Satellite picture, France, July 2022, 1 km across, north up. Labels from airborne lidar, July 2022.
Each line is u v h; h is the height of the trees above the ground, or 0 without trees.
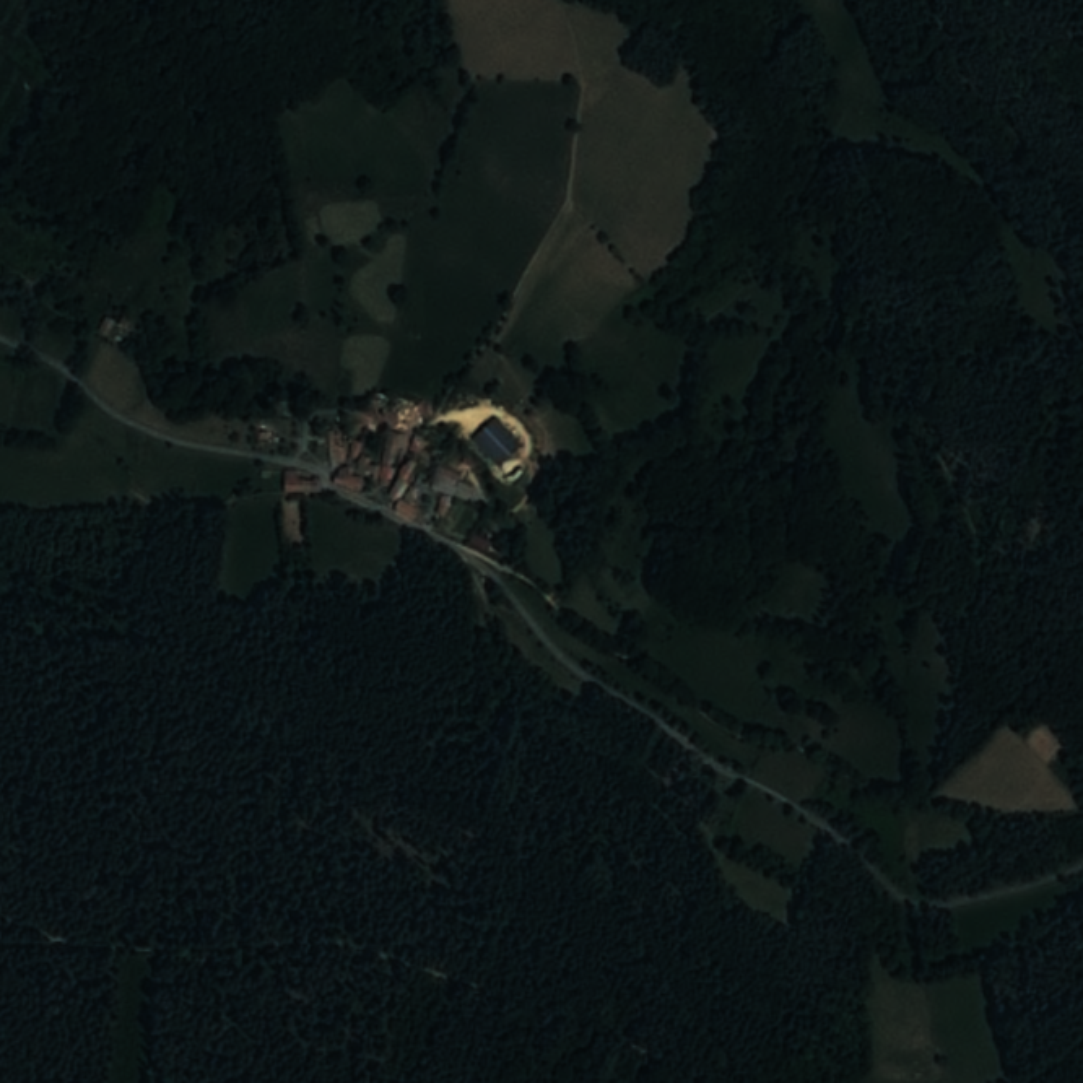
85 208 26
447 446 7
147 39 28
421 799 23
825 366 19
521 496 0
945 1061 9
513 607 10
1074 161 20
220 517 29
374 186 11
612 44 0
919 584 23
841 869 23
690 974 26
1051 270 0
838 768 16
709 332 22
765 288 9
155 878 28
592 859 33
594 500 28
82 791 24
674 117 0
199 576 29
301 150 0
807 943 23
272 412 14
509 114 0
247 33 21
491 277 0
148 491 0
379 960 22
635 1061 18
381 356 0
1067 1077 23
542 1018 29
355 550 0
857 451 0
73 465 0
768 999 26
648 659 25
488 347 8
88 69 29
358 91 10
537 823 27
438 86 19
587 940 29
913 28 17
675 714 6
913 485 24
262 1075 22
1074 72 7
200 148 20
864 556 19
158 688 26
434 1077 21
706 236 10
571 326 0
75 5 18
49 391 0
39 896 22
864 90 0
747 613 14
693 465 19
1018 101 20
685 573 33
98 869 13
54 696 25
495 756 26
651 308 18
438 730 23
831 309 15
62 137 24
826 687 9
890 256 14
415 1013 12
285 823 31
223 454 0
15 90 0
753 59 27
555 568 0
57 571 17
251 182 20
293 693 31
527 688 26
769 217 30
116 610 31
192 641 30
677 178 0
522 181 0
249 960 16
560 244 0
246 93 23
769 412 14
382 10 25
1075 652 13
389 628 26
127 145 23
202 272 14
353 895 26
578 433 0
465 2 0
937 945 18
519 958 30
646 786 27
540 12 0
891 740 0
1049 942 17
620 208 0
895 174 26
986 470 20
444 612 27
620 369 0
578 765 31
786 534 26
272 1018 26
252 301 0
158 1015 28
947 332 19
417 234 0
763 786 0
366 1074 14
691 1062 31
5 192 20
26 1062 22
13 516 18
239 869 24
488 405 0
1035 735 0
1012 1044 33
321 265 0
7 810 27
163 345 10
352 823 24
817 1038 15
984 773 0
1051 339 23
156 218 0
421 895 25
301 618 7
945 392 19
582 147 0
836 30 0
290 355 0
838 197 25
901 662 0
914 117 27
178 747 20
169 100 29
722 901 21
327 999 21
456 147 13
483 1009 21
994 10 19
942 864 19
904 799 21
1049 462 18
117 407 0
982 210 32
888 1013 0
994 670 22
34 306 15
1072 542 25
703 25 26
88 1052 22
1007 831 21
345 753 30
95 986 20
